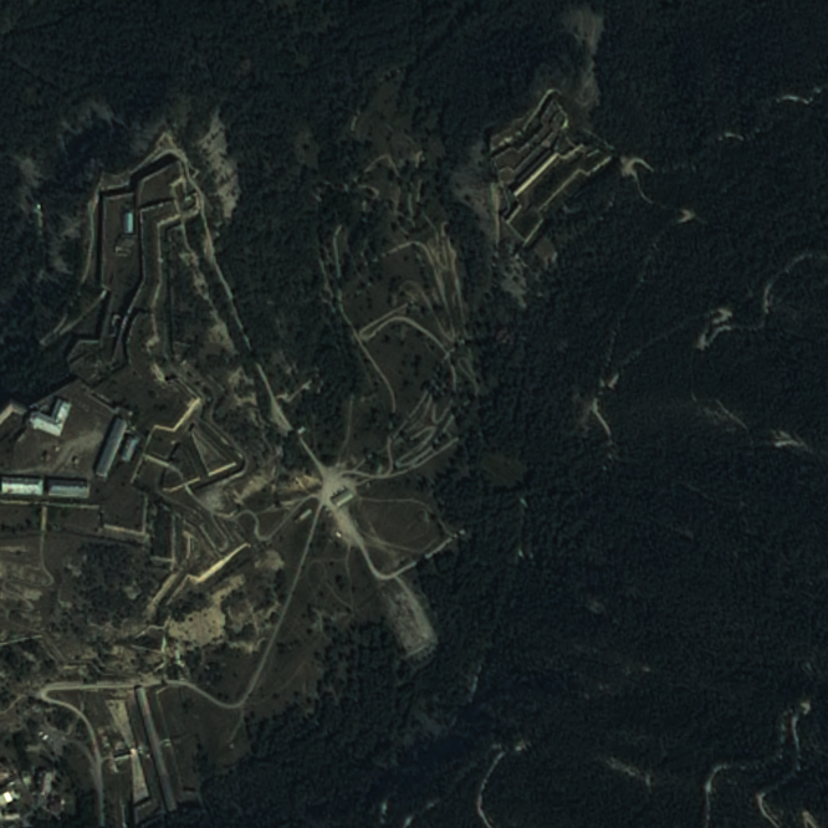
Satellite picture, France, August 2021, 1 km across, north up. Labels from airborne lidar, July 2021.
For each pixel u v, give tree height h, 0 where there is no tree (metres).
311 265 16
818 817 8
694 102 10
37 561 0
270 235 6
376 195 10
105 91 11
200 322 7
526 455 14
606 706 10
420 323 0
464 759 10
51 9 16
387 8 16
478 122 9
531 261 6
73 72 8
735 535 9
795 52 7
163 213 0
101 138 9
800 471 8
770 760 12
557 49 8
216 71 14
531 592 13
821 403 7
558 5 10
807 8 7
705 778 8
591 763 9
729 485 11
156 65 12
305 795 15
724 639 14
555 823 11
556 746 9
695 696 11
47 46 14
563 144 0
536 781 7
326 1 12
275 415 0
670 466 8
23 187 7
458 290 0
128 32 15
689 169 8
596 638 8
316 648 0
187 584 0
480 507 14
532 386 14
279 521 0
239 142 11
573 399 9
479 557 15
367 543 0
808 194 7
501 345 13
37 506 6
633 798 8
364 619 0
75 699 0
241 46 16
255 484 0
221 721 0
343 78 11
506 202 0
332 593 0
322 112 14
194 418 0
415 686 12
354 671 9
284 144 14
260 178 9
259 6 10
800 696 12
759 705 7
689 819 11
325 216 10
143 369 0
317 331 15
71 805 0
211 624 0
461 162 9
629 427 11
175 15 14
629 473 10
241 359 9
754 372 6
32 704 10
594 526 10
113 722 0
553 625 9
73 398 0
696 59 9
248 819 6
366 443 0
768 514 6
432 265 0
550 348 10
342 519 0
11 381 11
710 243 13
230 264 12
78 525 0
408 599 0
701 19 12
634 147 9
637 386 9
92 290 7
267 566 0
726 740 8
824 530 7
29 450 0
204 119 11
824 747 10
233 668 0
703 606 8
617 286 9
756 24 9
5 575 0
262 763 10
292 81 13
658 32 12
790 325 7
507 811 7
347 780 11
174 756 0
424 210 8
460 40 14
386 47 14
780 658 12
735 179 11
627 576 12
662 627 10
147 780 0
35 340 8
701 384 7
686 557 9
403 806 9
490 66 10
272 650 0
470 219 14
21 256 14
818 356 8
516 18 11
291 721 12
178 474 0
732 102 14
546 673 10
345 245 0
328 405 10
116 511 0
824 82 9
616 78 7
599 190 11
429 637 0
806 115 10
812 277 8
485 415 11
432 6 10
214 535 0
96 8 12
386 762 8
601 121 6
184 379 0
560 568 7
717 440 7
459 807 9
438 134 7
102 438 0
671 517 10
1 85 11
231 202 0
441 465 0
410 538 0
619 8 14
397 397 0
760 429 8
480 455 16
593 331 7
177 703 0
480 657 11
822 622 12
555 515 13
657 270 8
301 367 8
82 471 0
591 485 8
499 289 9
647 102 9
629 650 9
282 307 12
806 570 8
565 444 9
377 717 13
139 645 6
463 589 17
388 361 0
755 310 12
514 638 9
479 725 6
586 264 7
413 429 0
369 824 9
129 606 7
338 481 0
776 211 11
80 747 0
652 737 7
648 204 8
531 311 11
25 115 8
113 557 7
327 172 14
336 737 16
